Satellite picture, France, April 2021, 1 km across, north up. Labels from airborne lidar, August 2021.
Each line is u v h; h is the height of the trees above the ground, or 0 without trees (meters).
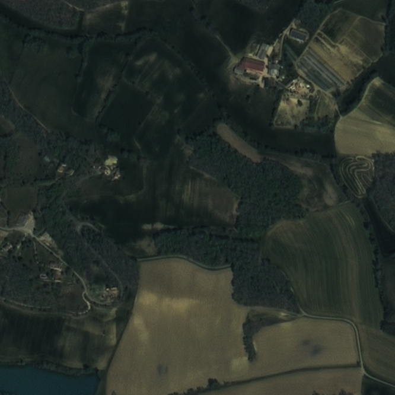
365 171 0
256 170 22
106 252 25
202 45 0
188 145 11
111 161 0
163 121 0
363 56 0
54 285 12
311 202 0
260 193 20
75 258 19
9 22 16
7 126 0
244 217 22
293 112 0
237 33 0
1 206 12
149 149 0
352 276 0
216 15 0
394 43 6
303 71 0
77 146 18
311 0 16
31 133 15
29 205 0
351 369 0
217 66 0
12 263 18
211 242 22
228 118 11
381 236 0
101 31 0
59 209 11
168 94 0
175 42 0
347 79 0
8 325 0
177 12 0
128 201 0
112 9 0
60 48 0
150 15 0
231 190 14
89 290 0
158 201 0
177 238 24
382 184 15
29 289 20
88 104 0
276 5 0
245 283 20
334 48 0
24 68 0
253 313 0
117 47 0
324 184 0
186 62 6
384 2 0
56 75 0
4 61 0
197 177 0
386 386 0
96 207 0
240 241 16
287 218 16
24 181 9
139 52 0
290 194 22
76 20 22
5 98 17
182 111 0
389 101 0
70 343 0
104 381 0
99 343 0
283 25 0
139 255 0
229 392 0
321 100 0
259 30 0
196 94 0
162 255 16
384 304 11
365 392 0
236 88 0
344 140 0
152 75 0
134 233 0
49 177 8
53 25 20
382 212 10
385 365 0
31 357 0
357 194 0
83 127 0
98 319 0
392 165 16
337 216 0
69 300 0
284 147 0
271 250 0
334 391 0
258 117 0
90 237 17
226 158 24
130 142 0
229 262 16
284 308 19
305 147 0
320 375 0
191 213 0
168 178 0
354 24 0
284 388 0
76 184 18
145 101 0
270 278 19
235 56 0
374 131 0
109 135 15
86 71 0
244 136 13
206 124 0
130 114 0
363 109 0
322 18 10
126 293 12
